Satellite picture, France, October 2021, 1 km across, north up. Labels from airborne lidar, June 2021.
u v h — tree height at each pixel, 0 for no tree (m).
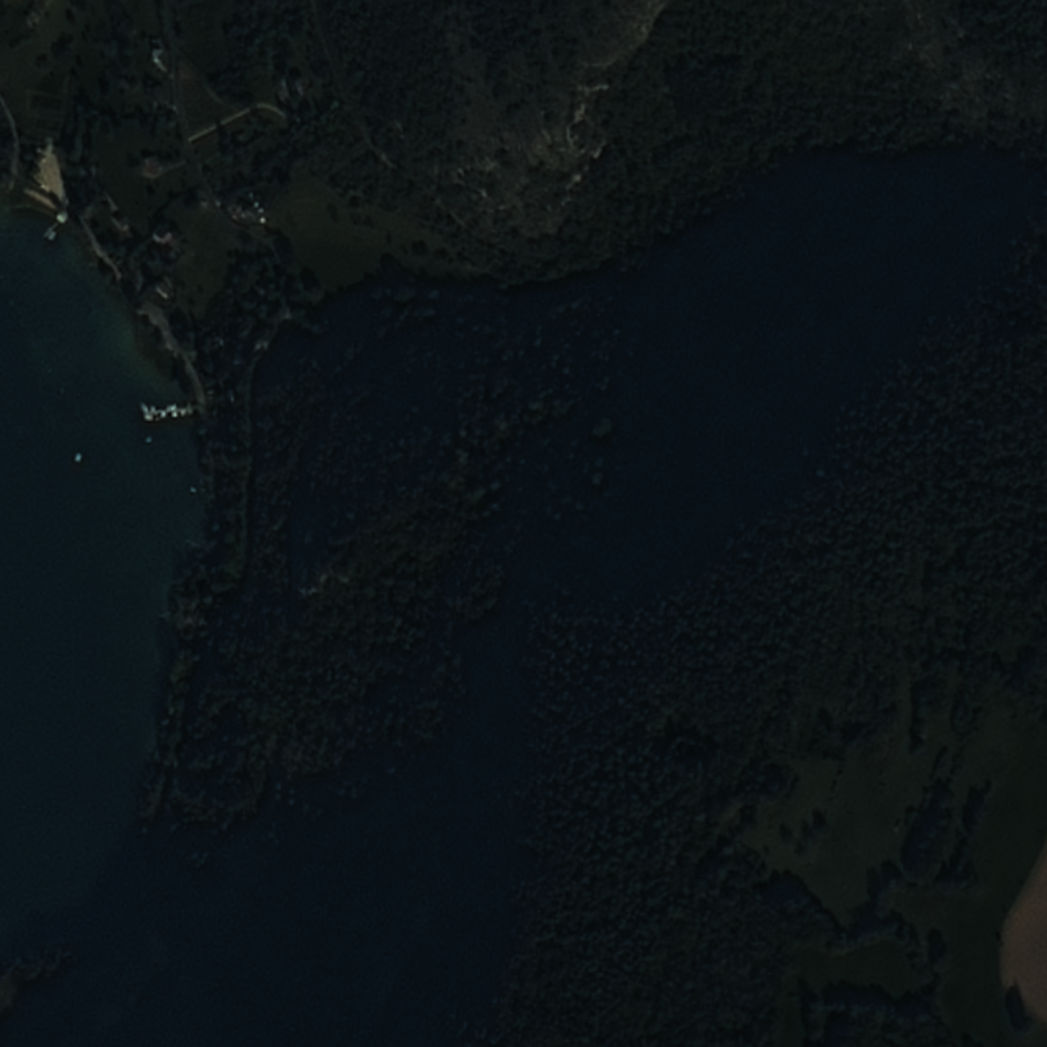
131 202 0
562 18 7
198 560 8
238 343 7
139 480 0
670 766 16
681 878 21
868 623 14
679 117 17
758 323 15
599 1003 20
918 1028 20
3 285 0
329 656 19
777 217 26
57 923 0
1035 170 12
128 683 0
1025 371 20
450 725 20
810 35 16
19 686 0
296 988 12
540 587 13
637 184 19
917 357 13
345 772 10
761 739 7
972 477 12
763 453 10
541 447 22
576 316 22
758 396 10
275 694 20
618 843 21
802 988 0
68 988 0
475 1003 14
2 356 0
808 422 16
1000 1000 0
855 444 19
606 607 21
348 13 9
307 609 16
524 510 27
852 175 11
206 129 0
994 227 14
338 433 8
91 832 0
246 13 7
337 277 0
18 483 0
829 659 15
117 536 0
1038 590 21
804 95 20
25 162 11
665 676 23
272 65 12
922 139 16
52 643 0
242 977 7
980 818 13
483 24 15
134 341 0
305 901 14
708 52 11
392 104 15
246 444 15
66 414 0
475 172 8
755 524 19
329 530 9
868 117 13
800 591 16
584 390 25
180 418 0
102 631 0
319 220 0
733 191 23
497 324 25
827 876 0
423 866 10
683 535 14
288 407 12
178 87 0
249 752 11
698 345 21
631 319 22
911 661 15
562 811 27
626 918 19
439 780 22
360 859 19
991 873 0
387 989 24
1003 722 0
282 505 14
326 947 13
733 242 20
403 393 7
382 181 7
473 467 29
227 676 22
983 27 14
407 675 21
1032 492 19
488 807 7
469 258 6
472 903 8
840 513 17
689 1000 24
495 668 8
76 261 0
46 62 9
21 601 0
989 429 19
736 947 19
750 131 20
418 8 12
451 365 16
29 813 0
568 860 25
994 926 0
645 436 22
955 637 9
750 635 22
